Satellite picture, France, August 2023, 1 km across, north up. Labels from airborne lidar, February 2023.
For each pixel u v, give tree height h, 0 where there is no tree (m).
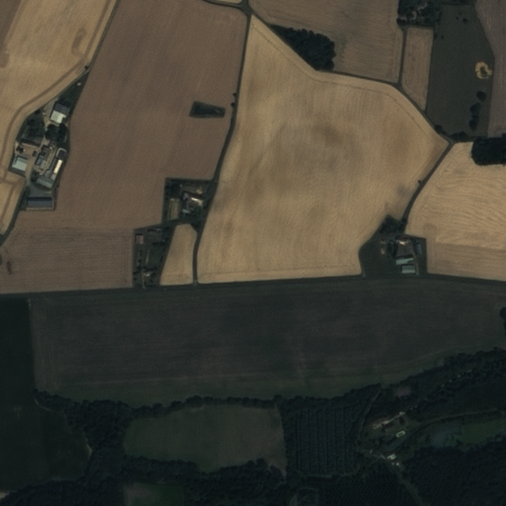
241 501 8
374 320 0
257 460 0
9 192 0
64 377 0
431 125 0
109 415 7
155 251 0
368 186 0
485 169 0
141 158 0
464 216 0
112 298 0
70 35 0
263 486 24
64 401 13
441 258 0
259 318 0
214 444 0
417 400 22
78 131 0
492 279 0
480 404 23
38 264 0
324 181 0
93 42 0
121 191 0
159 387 0
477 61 0
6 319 0
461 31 0
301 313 0
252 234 0
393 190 0
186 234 0
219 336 0
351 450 15
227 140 0
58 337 0
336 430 15
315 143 0
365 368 0
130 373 0
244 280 0
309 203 0
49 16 0
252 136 0
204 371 0
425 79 0
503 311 9
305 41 18
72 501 35
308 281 0
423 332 0
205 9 0
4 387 0
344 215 0
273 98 0
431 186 0
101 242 0
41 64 0
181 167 0
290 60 0
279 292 0
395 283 0
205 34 0
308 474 13
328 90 0
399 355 0
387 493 13
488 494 20
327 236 0
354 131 0
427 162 0
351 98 0
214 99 0
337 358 0
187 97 0
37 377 0
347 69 0
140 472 19
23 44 0
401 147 0
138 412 14
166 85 0
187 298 0
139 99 0
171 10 0
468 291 0
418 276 0
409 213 0
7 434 0
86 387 0
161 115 0
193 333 0
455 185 0
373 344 0
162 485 0
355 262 0
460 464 26
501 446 16
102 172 0
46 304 0
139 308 0
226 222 0
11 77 0
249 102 0
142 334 0
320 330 0
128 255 0
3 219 0
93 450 15
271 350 0
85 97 0
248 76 0
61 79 0
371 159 0
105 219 0
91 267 0
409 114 0
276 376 0
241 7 0
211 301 0
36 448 0
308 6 0
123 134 0
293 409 15
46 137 8
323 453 16
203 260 0
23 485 0
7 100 0
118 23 0
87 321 0
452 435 0
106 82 0
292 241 0
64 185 0
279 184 0
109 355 0
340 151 0
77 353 0
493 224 0
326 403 13
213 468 0
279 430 0
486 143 9
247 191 0
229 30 0
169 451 0
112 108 0
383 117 0
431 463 22
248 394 0
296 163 0
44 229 0
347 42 0
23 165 0
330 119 0
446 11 0
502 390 26
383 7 0
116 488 33
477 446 0
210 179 0
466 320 0
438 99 0
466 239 0
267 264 0
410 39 0
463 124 0
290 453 11
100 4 0
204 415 0
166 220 0
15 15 0
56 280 0
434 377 23
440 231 0
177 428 0
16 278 0
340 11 0
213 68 0
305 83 0
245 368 0
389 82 0
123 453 10
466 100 0
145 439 0
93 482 22
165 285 0
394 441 9
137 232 0
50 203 0
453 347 0
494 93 0
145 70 0
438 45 0
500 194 0
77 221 0
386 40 0
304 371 0
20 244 0
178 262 0
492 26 0
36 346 0
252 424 0
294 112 0
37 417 0
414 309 0
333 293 0
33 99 0
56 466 0
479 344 0
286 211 0
